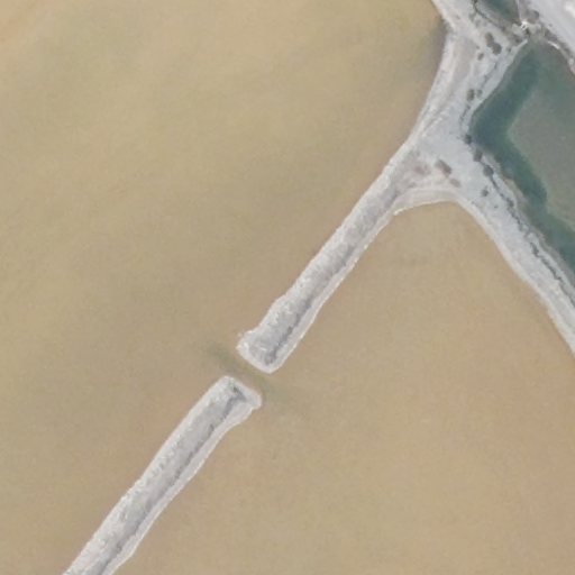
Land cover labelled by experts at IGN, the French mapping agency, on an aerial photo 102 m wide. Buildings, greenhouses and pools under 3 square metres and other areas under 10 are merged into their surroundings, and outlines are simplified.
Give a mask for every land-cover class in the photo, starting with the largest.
<instances>
[{"label":"water","instance_id":"1","mask_svg":"<svg viewBox=\"0 0 575 575\"><path fill-rule=\"evenodd\" d=\"M447 43V22L433 0H0V575H74L70 571V564L92 539V535L103 523L108 512L144 474L153 456L175 431L182 418L191 411V407L220 377L227 375L245 382L249 389L261 393V407L254 409L247 420L231 427L222 436L211 456L204 460L202 469L164 508V512L157 517V521L153 523L135 555L124 564V568L117 575H575V353L555 326L539 294L508 265L490 234L458 202L445 200L416 204L389 220V225L359 256L353 272L323 303L314 323L299 341L296 350L285 359V364L279 371L263 373L254 368L247 359H243L238 353L240 337L247 330L256 328L261 319L267 314L270 305L294 285L305 265L330 240L337 227L344 222V218L357 204V200L364 195V191L380 177L382 168L389 164L395 150L409 139L411 130L416 128L427 94L436 81ZM492 11H496L503 20L512 25L519 22L514 0H483ZM465 144L472 146L476 164L490 177L496 195L505 202L508 213L523 234L532 256L550 272V276L559 283L564 296L575 308V76L568 70V61L550 45H526L514 61L508 67L503 81L490 94V99L474 112L472 126L465 135Z\"/></svg>","mask_w":575,"mask_h":575},{"label":"pervious surface","instance_id":"2","mask_svg":"<svg viewBox=\"0 0 575 575\"><path fill-rule=\"evenodd\" d=\"M447 22V43L436 81L427 94L416 128L411 130L409 139L395 150L389 164L382 168L380 177L364 191V195L357 200V204L344 218V222L337 227L330 240L305 265L294 285L270 305L267 314L261 319L256 328L247 330L240 337L238 353L243 359H247L254 368L263 373L279 371L285 364V359L296 350L299 341L314 323L323 303L353 272L359 256L389 225V220L416 204L445 200L458 202L490 234L508 265L539 294L555 326L575 353V308L564 296L559 283L550 276V272L532 256L523 234L508 213L505 202L496 195L490 177L476 164L472 146L465 144V135L472 126L474 112L490 99V94L503 81L508 67L514 61L508 56L510 40L496 25L487 22L483 16H476L472 11L469 0H433ZM530 9L539 11V18L532 22H519L512 25L514 34L548 27L575 54V0H530ZM261 407V393L249 389L245 382L227 375L220 377L191 407V411L182 418L175 431L153 456L144 474L108 512L103 523L92 535V539L70 564V571L74 575H117L124 568V564L135 555L153 523L157 521V517L164 512V508L202 469L204 460L211 456L222 436L231 427L247 420L254 409Z\"/></svg>","mask_w":575,"mask_h":575},{"label":"brushwood","instance_id":"3","mask_svg":"<svg viewBox=\"0 0 575 575\"><path fill-rule=\"evenodd\" d=\"M472 11L476 16H483L487 22L496 25L510 40L508 56L514 61L526 45H550L568 61V70L575 76V54L548 27L514 34L512 25L503 20L496 11H492L483 0H469ZM519 22H532L539 18V11L530 9V0H514Z\"/></svg>","mask_w":575,"mask_h":575}]
</instances>
